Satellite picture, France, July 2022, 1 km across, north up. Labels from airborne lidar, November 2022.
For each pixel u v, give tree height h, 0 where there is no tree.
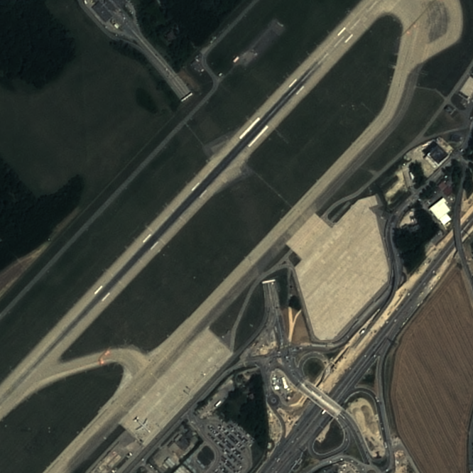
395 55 0
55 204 11
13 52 29
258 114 0
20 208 8
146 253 0
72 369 0
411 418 0
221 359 0
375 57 0
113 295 0
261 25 0
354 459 0
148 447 0
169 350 0
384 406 0
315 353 0
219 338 0
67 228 0
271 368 0
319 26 0
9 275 0
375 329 0
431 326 0
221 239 0
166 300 0
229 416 10
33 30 26
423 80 0
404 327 0
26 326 0
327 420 0
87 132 0
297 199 0
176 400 0
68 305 0
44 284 0
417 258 21
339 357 0
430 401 0
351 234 0
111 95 0
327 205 0
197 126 0
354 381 0
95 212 0
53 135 0
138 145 0
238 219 0
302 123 0
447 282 0
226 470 0
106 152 0
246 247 0
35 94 0
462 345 0
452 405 0
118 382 0
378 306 0
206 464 0
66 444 0
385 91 0
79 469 0
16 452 0
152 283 0
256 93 0
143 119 0
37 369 0
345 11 0
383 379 0
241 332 0
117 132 0
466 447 0
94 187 0
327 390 0
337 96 0
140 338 0
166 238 0
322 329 0
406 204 0
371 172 0
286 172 0
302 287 0
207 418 0
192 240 0
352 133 0
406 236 23
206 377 0
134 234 0
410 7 0
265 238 0
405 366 0
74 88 0
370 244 0
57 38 24
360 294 0
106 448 0
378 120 0
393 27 0
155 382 0
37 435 0
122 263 0
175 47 6
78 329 0
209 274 0
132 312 0
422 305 0
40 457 0
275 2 0
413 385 0
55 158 0
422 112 0
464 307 0
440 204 0
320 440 0
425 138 0
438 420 0
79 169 0
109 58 0
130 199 0
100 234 0
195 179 0
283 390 0
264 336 0
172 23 9
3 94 0
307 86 0
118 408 0
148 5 7
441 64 0
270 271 0
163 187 0
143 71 0
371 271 0
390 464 0
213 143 0
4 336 0
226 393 0
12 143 0
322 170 0
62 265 0
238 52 0
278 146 0
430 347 0
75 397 0
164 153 0
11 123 0
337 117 0
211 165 0
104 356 0
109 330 0
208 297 0
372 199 0
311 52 0
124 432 0
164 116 0
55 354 0
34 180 0
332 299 0
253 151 0
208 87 0
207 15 23
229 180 0
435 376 0
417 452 0
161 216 0
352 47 0
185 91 0
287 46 0
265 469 0
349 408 0
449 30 0
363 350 0
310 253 0
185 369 0
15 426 0
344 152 0
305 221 0
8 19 30
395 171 0
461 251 0
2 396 0
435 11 0
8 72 14
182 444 0
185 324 0
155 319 0
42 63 25
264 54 0
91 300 0
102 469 0
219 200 0
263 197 0
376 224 0
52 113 0
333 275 0
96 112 0
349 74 0
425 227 14
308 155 0
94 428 0
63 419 0
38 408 0
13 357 0
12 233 9
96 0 0
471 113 0
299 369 0
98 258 0
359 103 0
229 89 0
